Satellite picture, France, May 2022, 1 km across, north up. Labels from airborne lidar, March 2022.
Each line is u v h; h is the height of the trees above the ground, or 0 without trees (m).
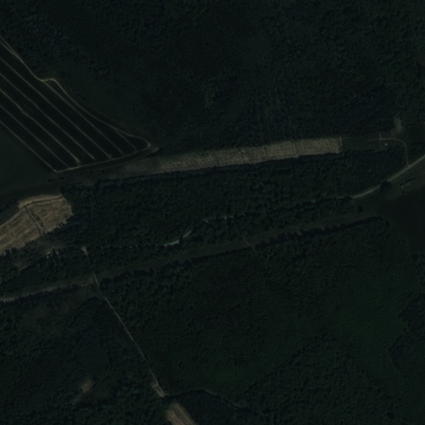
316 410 25
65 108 0
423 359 14
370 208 0
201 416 19
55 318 0
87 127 0
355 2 34
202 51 13
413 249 0
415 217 0
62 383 19
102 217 27
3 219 0
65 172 0
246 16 13
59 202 0
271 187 18
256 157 0
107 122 0
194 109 11
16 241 0
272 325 16
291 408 29
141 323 18
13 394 12
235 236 22
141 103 14
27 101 0
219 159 0
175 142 15
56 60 13
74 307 0
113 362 26
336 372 30
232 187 21
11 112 0
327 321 15
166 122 13
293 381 29
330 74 24
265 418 19
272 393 28
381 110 18
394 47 24
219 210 26
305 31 24
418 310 24
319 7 21
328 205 17
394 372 15
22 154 0
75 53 22
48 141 0
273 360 15
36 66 25
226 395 14
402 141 0
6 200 0
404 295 17
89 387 0
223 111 7
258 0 11
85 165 0
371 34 22
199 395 18
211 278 19
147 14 25
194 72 10
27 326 0
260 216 19
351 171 18
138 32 21
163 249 24
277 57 17
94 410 26
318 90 24
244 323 15
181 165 0
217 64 13
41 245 0
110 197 26
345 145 0
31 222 0
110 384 0
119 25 20
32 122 0
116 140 0
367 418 28
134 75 14
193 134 15
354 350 14
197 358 21
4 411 20
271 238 0
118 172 0
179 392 14
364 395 27
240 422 26
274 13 17
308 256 27
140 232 27
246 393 24
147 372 20
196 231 25
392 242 18
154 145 0
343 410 29
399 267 14
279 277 11
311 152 0
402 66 22
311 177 25
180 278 25
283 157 0
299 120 14
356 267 17
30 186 0
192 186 21
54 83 0
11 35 28
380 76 14
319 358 29
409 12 23
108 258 26
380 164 9
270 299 14
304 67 23
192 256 0
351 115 20
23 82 0
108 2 18
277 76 21
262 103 14
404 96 15
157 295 25
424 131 0
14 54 0
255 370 17
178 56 13
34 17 21
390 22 25
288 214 23
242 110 16
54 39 18
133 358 23
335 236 26
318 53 19
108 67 21
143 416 21
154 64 14
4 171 0
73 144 0
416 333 19
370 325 16
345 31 22
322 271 13
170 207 20
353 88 18
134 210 28
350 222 0
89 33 0
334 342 26
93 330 25
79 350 14
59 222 0
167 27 25
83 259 23
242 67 12
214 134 12
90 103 11
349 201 22
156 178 9
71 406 25
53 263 23
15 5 19
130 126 7
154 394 18
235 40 9
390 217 0
